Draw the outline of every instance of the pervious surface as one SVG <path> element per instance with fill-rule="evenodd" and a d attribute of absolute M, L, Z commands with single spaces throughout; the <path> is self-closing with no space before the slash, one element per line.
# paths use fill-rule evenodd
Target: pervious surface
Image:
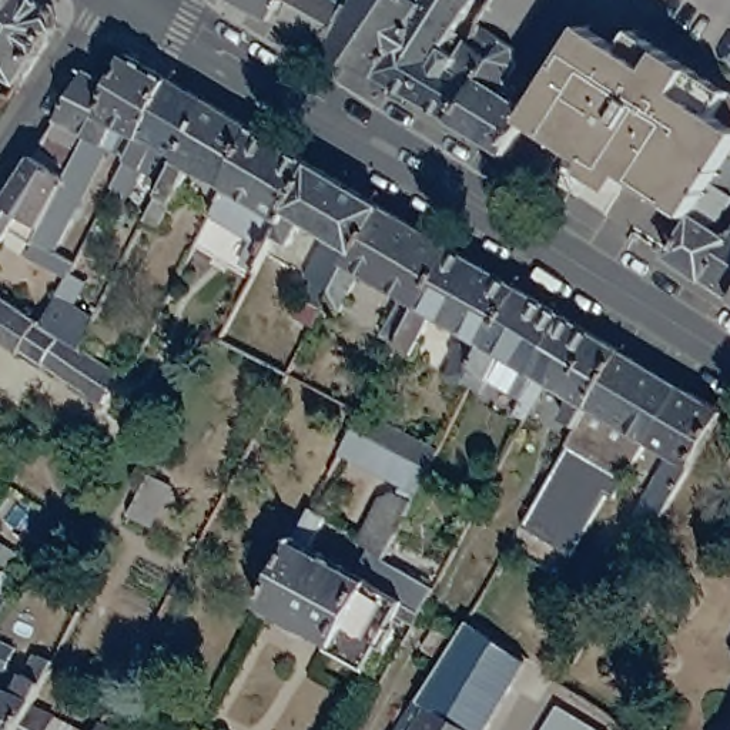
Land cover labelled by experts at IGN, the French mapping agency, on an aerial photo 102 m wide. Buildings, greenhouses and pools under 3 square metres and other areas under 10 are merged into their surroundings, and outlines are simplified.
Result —
<path fill-rule="evenodd" d="M 379 499 L 394 493 L 396 488 L 388 482 L 379 485 L 374 476 L 359 473 L 354 465 L 348 465 L 345 479 L 354 485 L 354 499 L 345 508 L 345 513 L 348 519 L 354 519 L 348 528 L 359 533 L 368 525 Z"/>

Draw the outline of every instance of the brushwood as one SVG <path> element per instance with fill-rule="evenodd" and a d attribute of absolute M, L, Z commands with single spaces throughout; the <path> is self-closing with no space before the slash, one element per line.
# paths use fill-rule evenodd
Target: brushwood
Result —
<path fill-rule="evenodd" d="M 339 533 L 345 542 L 356 545 L 359 533 L 348 528 L 354 519 L 348 519 L 345 513 L 334 522 L 325 522 L 322 528 Z"/>
<path fill-rule="evenodd" d="M 308 662 L 308 679 L 331 690 L 334 676 L 339 673 L 325 662 L 322 653 L 314 653 Z"/>
<path fill-rule="evenodd" d="M 545 476 L 553 471 L 553 462 L 567 442 L 570 428 L 559 428 L 550 436 L 539 468 L 539 473 Z"/>
<path fill-rule="evenodd" d="M 262 630 L 262 619 L 251 613 L 240 624 L 217 667 L 220 693 L 225 696 L 251 644 Z"/>
<path fill-rule="evenodd" d="M 391 533 L 399 539 L 402 548 L 422 553 L 428 550 L 431 533 L 436 533 L 442 522 L 442 508 L 431 493 L 419 488 L 413 496 L 405 499 L 399 522 L 391 528 Z"/>
<path fill-rule="evenodd" d="M 165 217 L 160 225 L 160 234 L 165 237 L 171 231 L 174 211 L 194 208 L 200 202 L 197 188 L 185 183 L 180 194 L 165 205 Z"/>
<path fill-rule="evenodd" d="M 354 485 L 345 479 L 348 465 L 339 456 L 339 448 L 331 445 L 319 482 L 311 493 L 291 505 L 302 516 L 311 513 L 328 490 L 348 490 Z"/>

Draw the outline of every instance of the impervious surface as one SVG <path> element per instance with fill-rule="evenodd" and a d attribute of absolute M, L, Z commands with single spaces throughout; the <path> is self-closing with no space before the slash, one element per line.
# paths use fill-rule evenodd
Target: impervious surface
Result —
<path fill-rule="evenodd" d="M 371 334 L 376 325 L 376 311 L 388 302 L 382 291 L 354 279 L 348 282 L 345 302 L 334 314 L 348 317 L 368 334 Z"/>
<path fill-rule="evenodd" d="M 530 80 L 548 60 L 562 31 L 579 26 L 582 11 L 593 11 L 599 23 L 610 26 L 613 31 L 627 31 L 633 37 L 650 40 L 650 46 L 673 68 L 682 68 L 696 80 L 704 71 L 721 71 L 730 77 L 730 0 L 536 0 L 525 14 L 522 26 L 513 31 L 513 57 L 510 66 L 502 71 L 502 86 L 496 91 L 513 103 L 522 100 L 522 94 L 528 91 Z"/>
<path fill-rule="evenodd" d="M 220 704 L 220 719 L 245 693 L 245 676 L 262 656 L 265 644 L 274 653 L 294 656 L 294 673 L 282 682 L 277 699 L 259 721 L 265 730 L 274 730 L 297 687 L 308 679 L 308 662 L 314 653 L 311 644 L 285 627 L 271 624 L 265 616 L 262 619 L 262 630 L 251 644 L 225 696 Z"/>
<path fill-rule="evenodd" d="M 442 636 L 439 630 L 416 627 L 416 616 L 422 610 L 399 605 L 394 636 L 402 639 L 399 653 L 431 653 L 442 642 Z"/>
<path fill-rule="evenodd" d="M 485 376 L 468 374 L 468 342 L 448 339 L 445 328 L 422 322 L 419 334 L 425 336 L 425 351 L 431 356 L 431 368 L 442 368 L 442 376 L 456 376 L 459 385 L 473 388 L 479 396 L 485 396 L 485 408 L 490 413 L 513 413 L 516 419 L 533 419 L 550 436 L 559 428 L 570 428 L 567 422 L 556 419 L 553 394 L 548 388 L 539 388 L 528 374 L 516 374 L 510 391 L 496 391 L 485 382 Z"/>
<path fill-rule="evenodd" d="M 613 721 L 607 713 L 602 713 L 599 707 L 593 707 L 590 701 L 565 687 L 542 676 L 539 659 L 522 659 L 510 684 L 505 687 L 502 699 L 488 716 L 488 730 L 548 730 L 545 724 L 553 710 L 565 710 L 567 716 L 579 719 L 587 730 L 610 730 Z"/>
<path fill-rule="evenodd" d="M 559 160 L 528 137 L 516 137 L 516 143 L 502 157 L 482 157 L 473 140 L 462 137 L 459 131 L 448 131 L 442 120 L 436 120 L 436 103 L 428 103 L 428 108 L 422 108 L 413 100 L 405 100 L 402 94 L 391 94 L 376 80 L 371 83 L 371 88 L 356 88 L 351 100 L 334 88 L 311 100 L 279 86 L 271 63 L 282 54 L 282 46 L 277 43 L 274 23 L 265 20 L 265 14 L 251 17 L 225 0 L 51 0 L 66 6 L 63 23 L 68 23 L 68 34 L 51 37 L 48 51 L 43 54 L 43 60 L 37 63 L 34 74 L 23 88 L 9 125 L 0 123 L 0 188 L 20 157 L 31 157 L 40 148 L 40 137 L 54 120 L 60 97 L 71 86 L 71 68 L 83 68 L 88 74 L 103 77 L 114 57 L 134 60 L 143 71 L 177 83 L 180 88 L 197 94 L 214 108 L 240 120 L 245 128 L 262 111 L 294 114 L 305 120 L 305 125 L 317 137 L 311 137 L 311 143 L 297 157 L 305 165 L 336 180 L 348 191 L 359 194 L 368 205 L 385 208 L 402 222 L 416 225 L 416 220 L 428 220 L 436 208 L 448 208 L 453 214 L 468 211 L 473 240 L 465 248 L 453 248 L 453 257 L 465 257 L 490 271 L 499 282 L 525 291 L 536 305 L 556 314 L 562 322 L 570 322 L 582 334 L 593 334 L 610 342 L 619 354 L 642 362 L 653 374 L 670 379 L 676 388 L 699 396 L 713 408 L 713 413 L 719 413 L 719 422 L 730 428 L 730 294 L 704 279 L 690 285 L 690 277 L 682 277 L 679 268 L 667 265 L 664 242 L 673 234 L 676 220 L 659 214 L 662 202 L 644 205 L 627 194 L 619 194 L 613 208 L 602 214 L 599 208 L 565 191 L 565 225 L 553 245 L 525 254 L 522 259 L 510 259 L 510 248 L 499 245 L 496 234 L 488 234 L 482 211 L 485 188 L 499 188 L 502 180 L 516 168 L 525 168 L 530 174 L 553 171 L 559 177 Z"/>
<path fill-rule="evenodd" d="M 399 539 L 391 533 L 382 548 L 391 567 L 431 587 L 445 562 L 433 562 L 422 553 L 402 548 Z"/>
<path fill-rule="evenodd" d="M 40 394 L 48 394 L 60 405 L 48 428 L 54 439 L 66 431 L 86 425 L 94 428 L 94 436 L 103 439 L 108 433 L 117 433 L 120 428 L 111 411 L 111 396 L 108 391 L 106 396 L 100 396 L 97 411 L 91 413 L 77 402 L 68 402 L 74 388 L 68 382 L 54 376 L 48 368 L 14 359 L 11 351 L 0 345 L 0 413 L 9 411 L 11 402 L 20 402 L 29 388 L 34 388 Z"/>
<path fill-rule="evenodd" d="M 211 265 L 202 274 L 194 274 L 183 297 L 165 297 L 165 305 L 180 319 L 197 299 L 197 294 L 217 274 L 231 271 L 237 277 L 248 277 L 220 331 L 217 339 L 225 342 L 225 336 L 231 336 L 234 322 L 240 319 L 245 299 L 257 282 L 257 274 L 265 262 L 277 271 L 294 268 L 305 259 L 311 248 L 311 234 L 299 225 L 288 231 L 282 242 L 262 240 L 259 245 L 251 237 L 237 240 L 237 234 L 208 220 L 194 248 L 188 251 L 188 262 L 194 262 L 194 254 L 202 251 L 211 257 Z"/>

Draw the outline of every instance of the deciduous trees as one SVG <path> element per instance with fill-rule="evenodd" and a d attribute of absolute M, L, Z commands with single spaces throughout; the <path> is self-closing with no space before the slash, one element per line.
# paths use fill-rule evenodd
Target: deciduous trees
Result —
<path fill-rule="evenodd" d="M 145 525 L 140 536 L 148 542 L 148 548 L 171 556 L 180 536 L 163 528 L 160 522 Z"/>
<path fill-rule="evenodd" d="M 445 482 L 439 473 L 422 476 L 419 488 L 431 493 L 442 508 L 442 522 L 436 533 L 431 533 L 428 550 L 422 553 L 433 562 L 445 562 L 451 548 L 456 545 L 456 519 L 473 525 L 490 522 L 502 496 L 502 476 L 496 468 L 499 459 L 493 453 L 471 456 L 468 451 L 456 453 L 456 465 L 468 471 L 462 476 L 462 485 Z"/>
<path fill-rule="evenodd" d="M 294 114 L 262 111 L 245 128 L 242 134 L 251 143 L 257 143 L 257 154 L 297 157 L 311 143 L 311 137 L 317 137 L 305 125 L 305 120 Z"/>
<path fill-rule="evenodd" d="M 120 194 L 111 188 L 100 188 L 94 194 L 88 217 L 100 231 L 114 231 L 120 214 Z"/>
<path fill-rule="evenodd" d="M 345 696 L 331 710 L 331 730 L 362 730 L 379 696 L 382 673 L 399 653 L 402 639 L 394 636 L 388 650 L 374 653 L 368 664 L 365 673 L 354 676 Z"/>
<path fill-rule="evenodd" d="M 220 693 L 217 667 L 202 659 L 202 650 L 197 650 L 188 659 L 174 656 L 171 662 L 148 662 L 148 667 L 131 670 L 128 682 L 100 676 L 51 676 L 51 687 L 40 696 L 40 701 L 51 704 L 51 719 L 63 719 L 63 724 L 68 724 L 71 730 L 228 730 L 220 719 L 220 704 L 225 696 Z"/>
<path fill-rule="evenodd" d="M 86 556 L 77 548 L 46 545 L 34 553 L 14 553 L 6 565 L 0 565 L 0 602 L 11 596 L 17 599 L 23 593 L 37 593 L 48 602 L 48 607 L 63 607 L 66 613 L 91 613 L 94 599 L 100 596 L 108 570 L 120 553 L 120 533 L 111 522 L 106 522 L 100 542 L 106 548 L 91 550 Z"/>
<path fill-rule="evenodd" d="M 496 234 L 499 245 L 510 248 L 510 259 L 522 259 L 525 254 L 553 245 L 565 225 L 565 191 L 559 188 L 559 177 L 553 171 L 530 174 L 525 168 L 516 168 L 502 180 L 499 188 L 485 188 L 482 211 L 488 234 Z"/>
<path fill-rule="evenodd" d="M 730 516 L 707 519 L 704 536 L 710 542 L 696 545 L 701 570 L 707 576 L 724 576 L 730 582 Z"/>
<path fill-rule="evenodd" d="M 528 553 L 525 542 L 519 542 L 513 550 L 496 548 L 496 559 L 505 570 L 516 570 L 528 579 L 530 570 L 542 562 L 542 556 Z"/>
<path fill-rule="evenodd" d="M 416 627 L 439 630 L 442 636 L 448 636 L 456 636 L 456 627 L 451 627 L 451 619 L 436 616 L 436 607 L 442 602 L 431 599 L 422 610 L 416 616 Z"/>
<path fill-rule="evenodd" d="M 237 411 L 228 416 L 225 453 L 214 471 L 205 471 L 202 476 L 208 485 L 228 485 L 234 493 L 234 499 L 225 502 L 225 510 L 220 516 L 225 528 L 234 528 L 245 516 L 245 502 L 257 502 L 262 508 L 271 499 L 279 499 L 279 490 L 265 476 L 265 471 L 271 462 L 279 462 L 297 451 L 297 439 L 285 425 L 285 413 L 291 411 L 291 391 L 279 382 L 259 385 L 257 391 L 245 394 L 245 399 L 237 399 Z"/>
<path fill-rule="evenodd" d="M 345 508 L 354 499 L 354 485 L 348 490 L 328 490 L 311 513 L 322 516 L 325 522 L 334 522 L 345 513 Z"/>
<path fill-rule="evenodd" d="M 294 362 L 299 365 L 311 365 L 319 359 L 322 336 L 328 334 L 325 325 L 314 322 L 299 331 L 299 336 L 305 339 L 294 354 Z"/>
<path fill-rule="evenodd" d="M 271 63 L 279 86 L 311 100 L 334 88 L 334 60 L 317 57 L 308 46 L 282 46 L 282 54 Z"/>
<path fill-rule="evenodd" d="M 687 699 L 664 676 L 662 682 L 656 682 L 653 696 L 630 701 L 622 710 L 622 721 L 630 730 L 693 730 L 687 724 Z"/>
<path fill-rule="evenodd" d="M 425 245 L 439 251 L 453 248 L 465 248 L 473 240 L 468 211 L 453 214 L 448 208 L 436 208 L 428 220 L 416 220 L 416 225 L 416 237 Z"/>
<path fill-rule="evenodd" d="M 351 431 L 379 442 L 379 436 L 391 431 L 391 425 L 408 425 L 408 433 L 413 439 L 425 439 L 436 436 L 448 422 L 439 416 L 413 422 L 405 419 L 396 382 L 402 374 L 408 374 L 408 359 L 394 356 L 382 339 L 371 334 L 368 334 L 362 342 L 348 342 L 345 336 L 334 342 L 334 354 L 351 374 L 351 394 L 359 402 L 356 411 L 339 411 L 336 416 L 325 416 L 319 411 L 305 413 L 311 431 L 325 431 L 334 436 L 336 431 L 345 433 Z"/>
<path fill-rule="evenodd" d="M 636 493 L 642 479 L 636 476 L 633 462 L 624 471 L 613 471 L 613 479 L 607 479 L 610 490 L 619 499 Z"/>
<path fill-rule="evenodd" d="M 168 382 L 163 396 L 143 402 L 111 396 L 111 411 L 120 428 L 117 433 L 108 433 L 103 439 L 94 436 L 94 428 L 86 425 L 66 431 L 54 439 L 48 428 L 60 405 L 48 394 L 40 394 L 34 388 L 29 388 L 20 402 L 11 402 L 9 411 L 0 413 L 0 499 L 9 493 L 14 473 L 31 465 L 37 456 L 48 459 L 51 471 L 57 473 L 63 490 L 57 496 L 66 502 L 66 508 L 108 519 L 117 505 L 125 505 L 125 493 L 134 493 L 143 479 L 157 479 L 157 473 L 168 473 L 168 468 L 177 468 L 185 459 L 185 453 L 205 436 L 202 385 L 214 382 L 214 374 L 208 351 L 202 351 L 200 345 L 217 339 L 220 331 L 202 319 L 191 322 L 194 336 L 188 336 L 185 351 L 177 356 L 177 362 L 168 362 L 168 356 L 157 359 Z"/>
<path fill-rule="evenodd" d="M 114 376 L 131 374 L 143 362 L 143 339 L 137 334 L 120 334 L 120 339 L 108 348 L 103 359 L 94 359 L 103 371 Z"/>
<path fill-rule="evenodd" d="M 622 644 L 627 644 L 636 653 L 659 650 L 667 662 L 667 639 L 684 624 L 690 599 L 699 599 L 699 585 L 690 576 L 687 559 L 682 553 L 679 539 L 673 539 L 673 530 L 650 528 L 647 522 L 633 522 L 616 545 L 616 556 L 605 562 L 602 582 L 593 590 L 576 593 L 559 585 L 533 590 L 530 610 L 536 624 L 545 627 L 539 659 L 542 676 L 565 687 L 565 682 L 576 682 L 570 676 L 570 662 L 576 650 L 585 650 L 590 644 L 599 644 L 605 653 Z"/>
<path fill-rule="evenodd" d="M 302 311 L 308 302 L 302 291 L 279 288 L 279 302 L 294 314 Z"/>
<path fill-rule="evenodd" d="M 245 570 L 228 570 L 228 545 L 211 533 L 205 536 L 205 542 L 194 542 L 185 550 L 183 567 L 177 570 L 188 579 L 188 585 L 183 590 L 174 590 L 174 599 L 168 602 L 168 616 L 188 619 L 191 602 L 202 602 L 208 613 L 231 616 L 240 624 L 251 613 L 254 587 L 248 585 Z"/>

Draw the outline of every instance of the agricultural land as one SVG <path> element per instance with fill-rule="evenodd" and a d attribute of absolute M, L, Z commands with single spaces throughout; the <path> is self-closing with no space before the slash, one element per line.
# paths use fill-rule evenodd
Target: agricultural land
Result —
<path fill-rule="evenodd" d="M 134 559 L 125 585 L 131 593 L 154 605 L 171 567 Z"/>

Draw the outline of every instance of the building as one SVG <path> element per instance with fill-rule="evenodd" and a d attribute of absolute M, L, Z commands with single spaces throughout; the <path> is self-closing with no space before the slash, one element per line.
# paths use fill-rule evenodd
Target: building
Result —
<path fill-rule="evenodd" d="M 382 548 L 391 533 L 391 528 L 399 522 L 405 499 L 413 496 L 419 488 L 422 476 L 439 473 L 445 459 L 425 451 L 425 439 L 413 439 L 408 433 L 408 425 L 391 425 L 391 431 L 379 436 L 379 442 L 351 431 L 345 433 L 339 448 L 339 456 L 348 465 L 354 465 L 359 473 L 374 476 L 379 485 L 388 482 L 396 488 L 394 493 L 379 499 L 368 525 L 359 533 L 356 545 L 345 542 L 339 533 L 322 528 L 325 522 L 322 516 L 311 513 L 302 516 L 299 528 L 288 539 L 277 542 L 277 550 L 254 587 L 251 613 L 262 619 L 265 616 L 271 624 L 285 627 L 311 644 L 322 642 L 322 647 L 331 647 L 334 656 L 354 664 L 368 664 L 374 653 L 388 650 L 394 636 L 399 605 L 422 610 L 431 599 L 431 587 L 391 567 Z"/>
<path fill-rule="evenodd" d="M 328 317 L 334 314 L 345 302 L 348 282 L 354 279 L 382 291 L 388 302 L 376 311 L 376 325 L 371 334 L 382 339 L 394 356 L 408 359 L 425 351 L 425 336 L 419 334 L 422 322 L 445 328 L 448 339 L 468 342 L 468 374 L 485 376 L 485 382 L 496 391 L 510 391 L 516 374 L 528 374 L 539 388 L 548 388 L 553 394 L 556 419 L 567 422 L 570 428 L 567 442 L 553 462 L 553 471 L 545 476 L 522 522 L 528 522 L 528 530 L 545 539 L 553 553 L 576 550 L 579 539 L 590 530 L 585 525 L 585 516 L 590 513 L 596 499 L 605 490 L 610 490 L 607 479 L 613 479 L 613 471 L 624 471 L 633 462 L 636 476 L 642 479 L 636 493 L 644 505 L 656 508 L 659 513 L 670 510 L 687 488 L 693 465 L 704 442 L 719 428 L 719 422 L 719 413 L 713 413 L 713 408 L 699 396 L 676 388 L 670 379 L 653 374 L 642 362 L 619 354 L 610 342 L 593 334 L 582 334 L 570 322 L 562 322 L 556 314 L 536 305 L 525 291 L 499 282 L 490 271 L 465 257 L 453 257 L 453 248 L 439 251 L 425 245 L 416 237 L 416 225 L 402 222 L 385 208 L 368 205 L 359 194 L 348 191 L 336 180 L 305 165 L 297 157 L 257 154 L 257 143 L 251 143 L 242 134 L 245 128 L 240 120 L 214 108 L 197 94 L 180 88 L 177 83 L 143 71 L 134 60 L 114 57 L 103 77 L 88 74 L 83 68 L 71 68 L 71 86 L 60 97 L 54 120 L 40 137 L 40 148 L 31 157 L 20 157 L 0 188 L 0 242 L 9 251 L 23 251 L 26 259 L 48 268 L 54 279 L 60 279 L 60 288 L 40 319 L 31 319 L 26 311 L 0 299 L 0 345 L 11 351 L 14 359 L 48 368 L 54 376 L 68 382 L 74 388 L 68 402 L 77 402 L 91 413 L 97 411 L 100 396 L 106 396 L 108 391 L 114 376 L 103 371 L 94 359 L 74 354 L 74 342 L 88 328 L 91 314 L 83 311 L 80 302 L 83 288 L 80 279 L 74 279 L 74 259 L 60 257 L 60 248 L 71 240 L 77 228 L 83 228 L 88 217 L 94 194 L 100 188 L 111 188 L 120 194 L 120 214 L 140 214 L 145 217 L 145 222 L 160 225 L 165 217 L 165 205 L 180 194 L 185 183 L 185 174 L 208 183 L 208 194 L 214 194 L 208 220 L 237 234 L 237 240 L 251 237 L 259 245 L 262 240 L 282 242 L 288 231 L 299 225 L 311 234 L 311 248 L 305 259 L 294 268 L 305 282 L 302 291 L 308 302 L 319 305 Z"/>
<path fill-rule="evenodd" d="M 71 730 L 68 724 L 63 724 L 63 719 L 51 719 L 51 704 L 40 701 L 40 696 L 51 687 L 51 676 L 51 662 L 40 656 L 29 656 L 29 667 L 37 673 L 37 682 L 17 676 L 14 682 L 9 682 L 0 673 L 0 730 Z"/>
<path fill-rule="evenodd" d="M 143 479 L 134 493 L 128 519 L 145 525 L 160 522 L 171 513 L 168 505 L 174 502 L 174 496 L 157 479 Z"/>
<path fill-rule="evenodd" d="M 14 636 L 0 633 L 0 670 L 11 664 L 11 659 L 20 650 Z"/>
<path fill-rule="evenodd" d="M 6 565 L 14 553 L 17 542 L 0 533 L 0 565 Z"/>
<path fill-rule="evenodd" d="M 690 285 L 704 279 L 730 294 L 730 77 L 721 71 L 704 71 L 696 80 L 682 68 L 673 68 L 650 46 L 650 40 L 633 37 L 627 31 L 613 31 L 610 26 L 599 23 L 593 11 L 582 11 L 579 26 L 562 31 L 548 60 L 530 80 L 528 91 L 522 94 L 522 100 L 513 103 L 496 91 L 502 86 L 502 71 L 510 66 L 513 57 L 513 31 L 522 26 L 525 14 L 536 0 L 225 0 L 251 17 L 265 14 L 265 20 L 274 23 L 277 43 L 282 46 L 308 46 L 317 57 L 334 60 L 334 88 L 351 100 L 356 88 L 371 88 L 371 83 L 376 80 L 391 94 L 402 94 L 405 100 L 413 100 L 422 108 L 428 108 L 428 103 L 436 103 L 436 120 L 442 120 L 448 131 L 459 131 L 462 137 L 473 140 L 482 157 L 502 157 L 516 143 L 516 137 L 528 137 L 559 160 L 559 177 L 559 188 L 565 191 L 599 208 L 602 214 L 613 208 L 619 194 L 627 194 L 644 205 L 662 202 L 659 214 L 676 220 L 673 234 L 664 242 L 667 265 L 679 268 L 682 277 L 690 277 Z"/>
<path fill-rule="evenodd" d="M 587 730 L 579 719 L 567 716 L 565 710 L 553 710 L 545 724 L 548 730 Z"/>
<path fill-rule="evenodd" d="M 68 23 L 63 23 L 66 6 L 51 0 L 0 0 L 0 83 L 23 88 L 34 74 L 37 63 L 43 60 L 43 54 L 48 51 L 51 37 L 68 34 Z"/>
<path fill-rule="evenodd" d="M 456 636 L 448 636 L 448 650 L 442 650 L 442 659 L 436 659 L 436 664 L 428 670 L 411 707 L 399 707 L 399 716 L 388 724 L 388 730 L 488 730 L 488 716 L 502 699 L 505 687 L 510 684 L 522 659 L 513 659 L 508 650 L 493 644 L 488 636 L 482 636 L 476 627 L 465 622 L 456 627 Z"/>

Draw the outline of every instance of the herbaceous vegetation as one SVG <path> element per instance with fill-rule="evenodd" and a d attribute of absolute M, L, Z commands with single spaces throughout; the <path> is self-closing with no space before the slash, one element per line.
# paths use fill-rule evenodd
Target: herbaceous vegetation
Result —
<path fill-rule="evenodd" d="M 0 123 L 9 125 L 23 88 L 0 83 Z"/>
<path fill-rule="evenodd" d="M 214 194 L 208 194 L 208 183 L 185 174 L 185 183 L 197 188 L 200 202 L 194 208 L 174 211 L 171 231 L 165 237 L 160 234 L 160 225 L 145 222 L 145 217 L 140 214 L 120 214 L 114 231 L 100 231 L 88 217 L 83 228 L 77 228 L 71 240 L 60 248 L 60 257 L 74 259 L 74 279 L 80 279 L 83 288 L 80 302 L 83 311 L 91 314 L 88 328 L 74 342 L 74 354 L 94 359 L 103 359 L 108 348 L 120 339 L 120 334 L 137 334 L 143 339 L 143 362 L 131 374 L 114 376 L 108 391 L 111 396 L 143 402 L 163 396 L 168 382 L 157 359 L 168 356 L 168 362 L 177 362 L 177 356 L 185 351 L 188 336 L 194 336 L 191 322 L 202 319 L 220 331 L 248 277 L 237 277 L 231 271 L 217 274 L 197 294 L 197 299 L 180 319 L 165 305 L 165 297 L 183 297 L 194 274 L 202 274 L 211 265 L 211 257 L 202 251 L 194 254 L 194 262 L 188 262 L 188 251 L 194 248 L 208 220 Z"/>
<path fill-rule="evenodd" d="M 277 699 L 282 682 L 294 673 L 294 656 L 274 653 L 265 644 L 262 656 L 245 676 L 245 693 L 220 719 L 228 730 L 265 730 L 259 721 Z"/>
<path fill-rule="evenodd" d="M 314 653 L 322 653 L 325 662 L 339 673 L 334 676 L 331 690 L 308 679 L 297 687 L 274 730 L 331 730 L 331 710 L 345 696 L 354 676 L 365 673 L 368 664 L 354 664 L 334 656 L 331 647 L 322 647 L 322 642 L 311 644 Z"/>
<path fill-rule="evenodd" d="M 730 428 L 719 422 L 719 428 L 704 442 L 693 465 L 687 488 L 670 510 L 659 513 L 656 508 L 644 505 L 636 493 L 619 499 L 610 490 L 605 490 L 596 499 L 590 513 L 585 516 L 585 525 L 590 530 L 579 539 L 576 550 L 553 553 L 545 539 L 528 530 L 528 522 L 522 522 L 545 476 L 539 473 L 539 468 L 550 436 L 533 419 L 516 419 L 513 413 L 490 413 L 485 408 L 485 396 L 479 396 L 473 388 L 459 385 L 456 376 L 442 376 L 442 368 L 431 368 L 431 356 L 425 351 L 408 359 L 408 374 L 402 374 L 396 382 L 405 419 L 413 422 L 439 416 L 448 422 L 436 436 L 425 439 L 425 451 L 445 459 L 439 473 L 445 482 L 462 485 L 462 476 L 468 471 L 456 465 L 456 453 L 468 451 L 471 456 L 493 453 L 499 459 L 496 468 L 502 476 L 502 496 L 490 522 L 473 525 L 456 519 L 456 545 L 451 548 L 445 562 L 431 587 L 431 599 L 442 602 L 436 607 L 436 616 L 451 619 L 451 627 L 456 627 L 465 622 L 476 627 L 482 636 L 488 636 L 493 644 L 508 650 L 513 659 L 522 659 L 539 659 L 545 627 L 536 624 L 530 610 L 533 590 L 559 585 L 576 593 L 593 590 L 602 582 L 605 562 L 616 556 L 616 545 L 633 522 L 647 522 L 650 528 L 673 530 L 673 539 L 679 539 L 682 553 L 687 559 L 690 576 L 699 585 L 699 599 L 690 599 L 684 624 L 667 639 L 667 662 L 659 650 L 636 653 L 627 644 L 622 644 L 605 653 L 599 644 L 590 644 L 585 650 L 576 650 L 570 662 L 570 676 L 576 682 L 565 682 L 565 687 L 590 701 L 593 707 L 599 707 L 602 713 L 607 713 L 613 721 L 610 730 L 630 730 L 622 721 L 622 710 L 630 701 L 653 696 L 656 682 L 662 682 L 664 676 L 687 699 L 687 724 L 693 730 L 730 730 L 730 582 L 724 576 L 707 576 L 701 570 L 696 545 L 710 542 L 704 536 L 707 519 L 730 516 Z M 513 550 L 519 542 L 525 542 L 528 553 L 542 556 L 542 562 L 530 570 L 528 579 L 516 570 L 505 570 L 496 559 L 496 548 Z"/>
<path fill-rule="evenodd" d="M 100 542 L 106 522 L 111 522 L 120 533 L 120 553 L 108 570 L 100 596 L 94 599 L 91 613 L 66 613 L 63 607 L 48 607 L 48 602 L 37 593 L 23 593 L 17 599 L 11 596 L 0 602 L 0 633 L 14 636 L 20 650 L 11 659 L 11 664 L 0 670 L 0 673 L 9 682 L 14 682 L 17 676 L 37 682 L 37 673 L 29 667 L 29 656 L 40 656 L 51 662 L 51 676 L 100 676 L 128 682 L 131 670 L 148 667 L 148 662 L 171 662 L 174 656 L 188 659 L 197 650 L 202 650 L 202 659 L 217 667 L 240 624 L 231 616 L 208 613 L 202 602 L 191 602 L 188 619 L 168 616 L 168 602 L 174 599 L 174 590 L 183 590 L 188 585 L 188 579 L 177 570 L 183 567 L 185 550 L 194 542 L 205 542 L 205 536 L 211 533 L 228 545 L 228 570 L 245 570 L 248 585 L 254 587 L 277 550 L 277 542 L 288 539 L 299 528 L 302 516 L 291 505 L 311 493 L 319 482 L 331 445 L 339 448 L 345 433 L 336 431 L 334 436 L 325 431 L 311 431 L 305 413 L 319 411 L 325 416 L 336 416 L 339 411 L 356 411 L 359 402 L 351 394 L 351 374 L 334 354 L 334 342 L 345 336 L 348 342 L 362 342 L 368 334 L 348 317 L 334 314 L 328 317 L 319 305 L 308 302 L 302 311 L 294 314 L 279 302 L 279 288 L 302 291 L 305 282 L 294 268 L 277 271 L 265 262 L 257 274 L 257 282 L 245 299 L 240 319 L 234 322 L 231 336 L 225 336 L 225 342 L 217 339 L 200 345 L 202 351 L 208 351 L 214 374 L 214 382 L 202 385 L 205 436 L 185 453 L 185 459 L 177 468 L 168 468 L 168 473 L 157 473 L 157 479 L 174 496 L 174 502 L 168 505 L 171 513 L 160 522 L 163 528 L 180 536 L 171 556 L 148 548 L 148 542 L 140 536 L 145 525 L 128 519 L 134 493 L 125 493 L 125 505 L 117 505 L 108 519 L 66 508 L 66 502 L 57 496 L 63 490 L 57 473 L 51 471 L 48 459 L 37 456 L 31 465 L 14 473 L 9 493 L 0 499 L 0 533 L 17 542 L 14 553 L 34 553 L 46 545 L 77 548 L 86 556 L 91 550 L 106 548 Z M 322 336 L 319 359 L 311 365 L 299 365 L 294 362 L 294 354 L 305 339 L 299 336 L 299 331 L 314 322 L 325 325 L 328 334 Z M 257 502 L 245 502 L 245 516 L 234 528 L 225 528 L 220 516 L 225 510 L 225 502 L 234 499 L 234 493 L 228 485 L 208 485 L 202 476 L 205 471 L 214 471 L 225 453 L 228 416 L 237 411 L 237 399 L 245 399 L 245 394 L 257 391 L 259 385 L 279 382 L 291 391 L 291 411 L 285 413 L 285 425 L 297 439 L 297 451 L 279 462 L 271 462 L 265 471 L 265 476 L 279 490 L 279 499 L 271 499 L 262 508 Z M 154 605 L 131 593 L 125 585 L 134 559 L 171 567 Z"/>
<path fill-rule="evenodd" d="M 399 653 L 382 673 L 379 696 L 362 730 L 388 730 L 388 724 L 399 716 L 399 707 L 411 707 L 428 670 L 436 664 L 436 659 L 442 659 L 442 650 L 448 650 L 448 636 L 442 636 L 442 642 L 431 653 Z"/>
<path fill-rule="evenodd" d="M 26 259 L 23 251 L 9 251 L 0 242 L 0 299 L 26 311 L 31 319 L 40 319 L 60 288 L 60 279 L 54 279 L 48 268 Z"/>

